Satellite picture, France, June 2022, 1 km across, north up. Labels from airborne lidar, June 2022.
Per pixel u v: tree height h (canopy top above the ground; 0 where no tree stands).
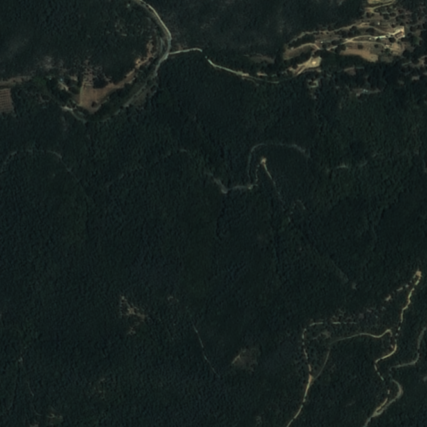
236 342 6
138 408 9
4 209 7
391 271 8
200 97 7
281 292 12
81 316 8
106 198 7
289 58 0
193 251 10
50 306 10
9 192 14
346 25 7
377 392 13
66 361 9
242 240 7
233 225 12
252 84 8
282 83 6
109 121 10
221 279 9
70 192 8
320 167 14
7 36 7
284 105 11
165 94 29
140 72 9
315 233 10
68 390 11
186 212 11
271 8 8
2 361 10
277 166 8
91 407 7
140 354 15
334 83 15
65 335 14
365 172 11
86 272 9
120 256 8
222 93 9
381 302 10
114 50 6
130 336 9
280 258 13
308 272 12
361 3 10
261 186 9
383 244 10
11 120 9
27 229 12
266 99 8
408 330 9
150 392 11
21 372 13
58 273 12
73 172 9
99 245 15
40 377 8
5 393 11
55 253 7
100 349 10
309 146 10
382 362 12
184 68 9
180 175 8
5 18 7
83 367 9
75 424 13
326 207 14
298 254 11
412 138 10
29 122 8
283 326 15
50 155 9
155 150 16
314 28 9
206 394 15
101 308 10
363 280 9
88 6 9
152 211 10
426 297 11
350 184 14
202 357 6
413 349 8
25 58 8
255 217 12
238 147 8
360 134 9
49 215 9
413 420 17
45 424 13
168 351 13
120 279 7
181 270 16
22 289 12
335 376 8
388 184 12
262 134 9
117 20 8
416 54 18
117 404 12
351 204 13
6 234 14
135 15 13
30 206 8
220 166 14
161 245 12
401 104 12
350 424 6
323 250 10
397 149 9
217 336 8
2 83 0
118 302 10
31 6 15
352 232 11
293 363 8
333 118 13
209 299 11
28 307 9
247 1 8
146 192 10
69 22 9
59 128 7
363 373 16
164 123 12
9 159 10
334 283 10
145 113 11
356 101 8
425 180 10
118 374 12
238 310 8
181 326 12
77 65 7
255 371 9
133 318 8
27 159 11
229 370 16
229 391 14
